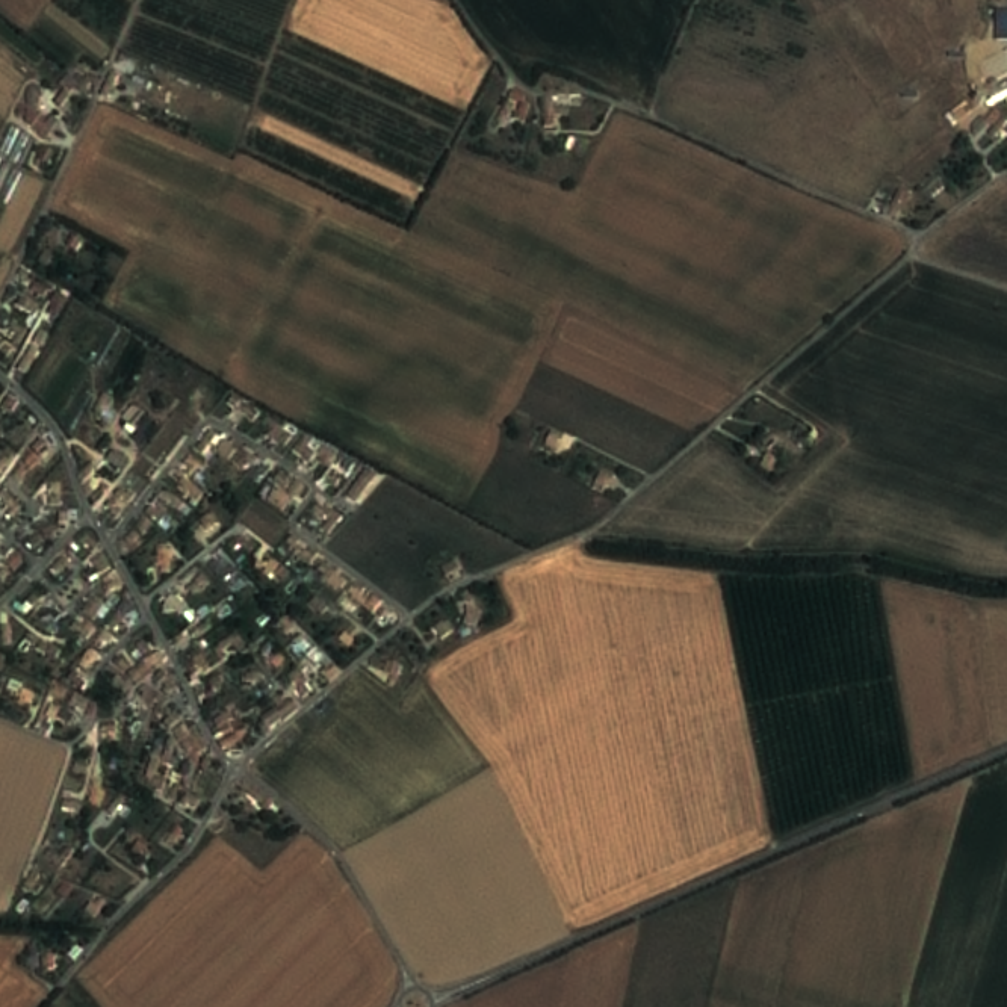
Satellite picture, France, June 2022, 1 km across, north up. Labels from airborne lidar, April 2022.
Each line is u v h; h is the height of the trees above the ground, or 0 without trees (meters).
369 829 0
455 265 0
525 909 0
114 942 0
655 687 0
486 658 0
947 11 0
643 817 0
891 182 0
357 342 0
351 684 0
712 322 0
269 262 0
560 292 0
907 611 0
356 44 0
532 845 0
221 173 0
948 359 0
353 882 0
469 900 0
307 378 0
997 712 0
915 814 0
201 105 0
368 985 0
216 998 0
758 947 0
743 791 0
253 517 0
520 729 0
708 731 0
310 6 0
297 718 0
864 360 0
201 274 0
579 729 0
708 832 0
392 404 0
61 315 6
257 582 7
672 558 8
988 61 0
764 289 0
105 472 6
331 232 0
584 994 0
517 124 11
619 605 0
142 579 12
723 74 0
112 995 0
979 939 0
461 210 0
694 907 0
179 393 0
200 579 0
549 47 0
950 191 6
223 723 0
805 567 16
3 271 0
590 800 0
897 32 0
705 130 0
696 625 0
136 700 0
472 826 0
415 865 0
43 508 0
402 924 0
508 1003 0
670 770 0
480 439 0
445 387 0
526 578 0
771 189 0
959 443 0
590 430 0
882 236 0
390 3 0
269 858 0
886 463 0
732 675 0
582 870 0
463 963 0
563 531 0
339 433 0
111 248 8
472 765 0
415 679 0
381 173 0
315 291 0
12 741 0
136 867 9
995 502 0
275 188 0
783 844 0
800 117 0
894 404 0
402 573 0
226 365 0
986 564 0
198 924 0
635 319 0
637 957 0
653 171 0
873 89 0
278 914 0
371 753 0
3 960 0
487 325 0
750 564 7
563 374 0
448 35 0
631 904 0
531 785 0
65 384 0
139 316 0
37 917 6
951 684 0
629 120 0
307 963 0
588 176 0
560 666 0
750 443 11
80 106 7
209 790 0
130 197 0
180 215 0
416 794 0
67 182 0
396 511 0
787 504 0
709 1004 0
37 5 0
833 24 0
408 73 0
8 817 0
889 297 0
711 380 0
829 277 0
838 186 0
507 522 0
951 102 0
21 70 0
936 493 0
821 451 0
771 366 0
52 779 0
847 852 0
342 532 0
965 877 0
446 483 0
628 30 0
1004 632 0
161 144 0
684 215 0
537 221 0
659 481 0
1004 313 0
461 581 0
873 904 0
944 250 0
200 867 0
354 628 0
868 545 0
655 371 0
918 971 0
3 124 0
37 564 0
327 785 0
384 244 0
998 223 0
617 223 0
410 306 0
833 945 0
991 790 0
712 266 0
